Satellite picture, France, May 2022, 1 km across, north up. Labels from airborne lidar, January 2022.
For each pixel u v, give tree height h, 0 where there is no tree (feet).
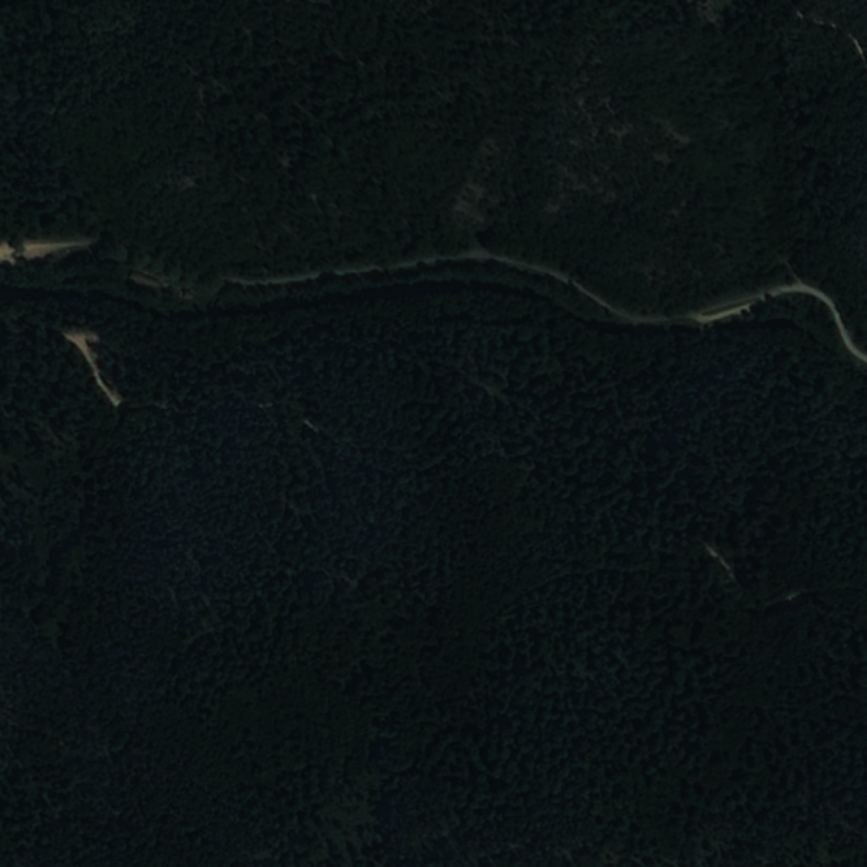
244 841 56
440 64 78
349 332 57
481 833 82
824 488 60
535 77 70
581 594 53
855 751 64
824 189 99
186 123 53
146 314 63
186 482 97
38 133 80
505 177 57
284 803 31
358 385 108
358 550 104
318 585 76
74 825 55
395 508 69
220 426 58
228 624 63
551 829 72
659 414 61
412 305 79
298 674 30
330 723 43
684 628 34
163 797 61
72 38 88
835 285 87
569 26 69
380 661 76
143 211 34
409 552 95
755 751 30
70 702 88
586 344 82
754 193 61
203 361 68
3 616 74
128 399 69
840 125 93
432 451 75
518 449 66
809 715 42
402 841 78
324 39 68
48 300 56
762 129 67
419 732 64
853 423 81
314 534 98
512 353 60
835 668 98
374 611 91
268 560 73
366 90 83
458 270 70
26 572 81
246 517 71
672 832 38
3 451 98
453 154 59
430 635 76
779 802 55
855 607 47
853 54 59
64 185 118
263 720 35
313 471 63
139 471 72
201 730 37
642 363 71
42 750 62
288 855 49
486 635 43
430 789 93
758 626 55
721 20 29
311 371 85
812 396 102
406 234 66
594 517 73
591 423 116
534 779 65
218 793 48
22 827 66
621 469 115
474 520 80
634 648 73
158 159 69
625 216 54
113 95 73
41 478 0
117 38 76
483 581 60
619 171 49
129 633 64
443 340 87
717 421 34
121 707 92
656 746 94
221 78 65
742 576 68
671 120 21
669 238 28
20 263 55
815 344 72
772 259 55
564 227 54
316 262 89
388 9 66
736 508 22
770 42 86
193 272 78
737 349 48
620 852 39
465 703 55
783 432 90
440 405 100
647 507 91
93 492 52
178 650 50
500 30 43
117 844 89
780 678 49
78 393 88
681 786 36
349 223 60
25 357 114
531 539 67
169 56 65
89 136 89
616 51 46
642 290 53
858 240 52
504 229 66
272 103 49
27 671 85
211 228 64
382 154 64
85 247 0
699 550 56
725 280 51
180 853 71
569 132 25
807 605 50
